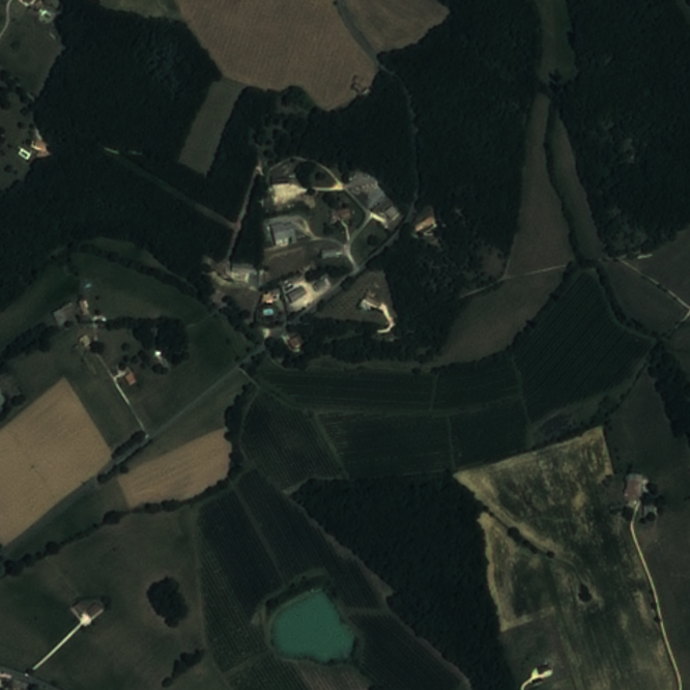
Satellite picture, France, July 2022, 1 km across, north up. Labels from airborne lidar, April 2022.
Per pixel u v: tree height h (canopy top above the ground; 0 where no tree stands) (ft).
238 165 38
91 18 68
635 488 0
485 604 65
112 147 51
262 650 0
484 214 40
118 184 48
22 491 0
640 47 38
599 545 0
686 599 0
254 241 35
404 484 26
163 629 0
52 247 30
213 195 43
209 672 0
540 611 0
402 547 63
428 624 60
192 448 0
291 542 17
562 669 0
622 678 0
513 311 0
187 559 0
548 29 0
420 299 34
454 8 49
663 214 37
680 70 49
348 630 0
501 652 32
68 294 0
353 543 49
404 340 23
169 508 50
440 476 20
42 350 41
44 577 0
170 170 40
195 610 0
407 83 33
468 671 54
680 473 0
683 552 0
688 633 0
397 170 44
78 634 0
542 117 0
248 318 44
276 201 0
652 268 0
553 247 0
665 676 0
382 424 20
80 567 0
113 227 40
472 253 32
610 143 24
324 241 0
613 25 37
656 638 0
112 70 55
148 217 24
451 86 34
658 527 0
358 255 0
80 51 56
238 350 0
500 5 41
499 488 0
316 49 0
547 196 0
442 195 36
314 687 0
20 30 0
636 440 0
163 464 0
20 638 0
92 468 0
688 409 64
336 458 0
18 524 0
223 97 0
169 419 0
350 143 50
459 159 37
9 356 37
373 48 0
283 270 0
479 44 40
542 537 0
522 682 0
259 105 48
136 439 38
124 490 0
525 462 0
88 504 0
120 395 0
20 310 0
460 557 63
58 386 0
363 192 0
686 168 33
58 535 0
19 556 0
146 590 0
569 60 0
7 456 0
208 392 0
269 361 0
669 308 0
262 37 0
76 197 42
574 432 24
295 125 49
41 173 41
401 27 0
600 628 0
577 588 0
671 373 44
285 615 0
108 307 0
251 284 0
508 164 31
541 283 0
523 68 40
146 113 50
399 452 23
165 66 62
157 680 0
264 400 0
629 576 0
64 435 0
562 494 0
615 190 33
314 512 47
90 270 0
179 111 50
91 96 53
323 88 0
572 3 31
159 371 29
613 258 27
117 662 0
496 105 27
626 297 0
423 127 41
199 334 0
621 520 0
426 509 60
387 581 41
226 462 0
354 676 0
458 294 38
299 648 0
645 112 34
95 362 0
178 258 40
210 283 28
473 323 0
